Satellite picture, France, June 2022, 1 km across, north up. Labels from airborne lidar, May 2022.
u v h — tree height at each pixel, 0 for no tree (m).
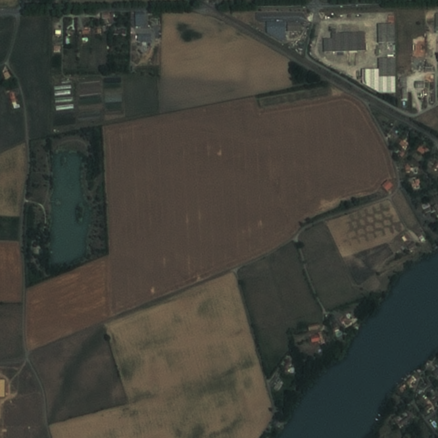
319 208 0
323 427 0
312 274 0
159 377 0
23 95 0
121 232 0
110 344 0
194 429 0
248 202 0
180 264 0
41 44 0
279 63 0
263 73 0
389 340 0
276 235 0
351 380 0
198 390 0
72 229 0
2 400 0
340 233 0
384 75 0
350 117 0
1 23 0
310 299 0
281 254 0
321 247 0
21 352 0
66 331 0
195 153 0
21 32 0
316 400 0
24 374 0
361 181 0
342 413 0
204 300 0
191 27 0
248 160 0
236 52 0
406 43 0
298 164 0
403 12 0
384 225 0
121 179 0
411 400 6
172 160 0
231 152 0
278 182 0
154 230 0
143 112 0
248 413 0
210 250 0
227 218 0
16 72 0
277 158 0
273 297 0
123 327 0
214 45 0
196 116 0
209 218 0
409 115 0
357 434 0
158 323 0
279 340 0
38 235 21
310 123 0
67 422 0
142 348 0
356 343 0
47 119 0
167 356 0
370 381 0
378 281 0
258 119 0
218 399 0
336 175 0
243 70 0
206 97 0
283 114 0
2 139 0
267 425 0
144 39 0
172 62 0
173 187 0
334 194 0
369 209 0
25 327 0
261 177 0
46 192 0
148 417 0
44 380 0
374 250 0
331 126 0
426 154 11
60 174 0
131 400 0
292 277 0
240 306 0
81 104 0
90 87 0
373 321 0
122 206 0
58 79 0
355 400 0
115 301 0
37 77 0
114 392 0
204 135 0
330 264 0
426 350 0
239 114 0
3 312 0
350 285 0
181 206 0
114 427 0
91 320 0
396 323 0
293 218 0
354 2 21
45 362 0
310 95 0
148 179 0
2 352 0
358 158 0
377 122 0
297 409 0
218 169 0
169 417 0
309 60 0
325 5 0
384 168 0
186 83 0
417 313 0
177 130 0
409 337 0
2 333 0
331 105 0
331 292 0
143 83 0
